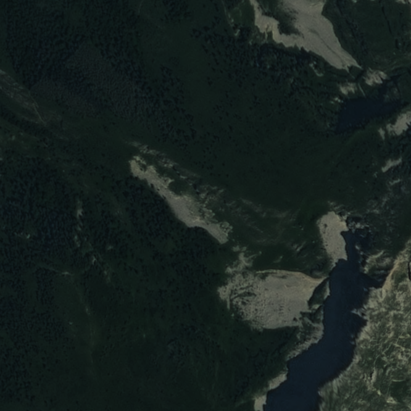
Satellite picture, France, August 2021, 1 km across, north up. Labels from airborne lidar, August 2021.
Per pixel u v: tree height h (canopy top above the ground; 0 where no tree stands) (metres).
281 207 0
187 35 0
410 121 0
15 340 7
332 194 0
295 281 0
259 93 0
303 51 0
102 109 9
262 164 0
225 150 0
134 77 14
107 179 14
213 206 0
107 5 7
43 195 11
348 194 0
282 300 0
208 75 0
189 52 0
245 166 0
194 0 0
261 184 0
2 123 0
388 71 0
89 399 0
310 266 0
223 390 0
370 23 0
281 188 0
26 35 8
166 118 12
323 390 0
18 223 9
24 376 5
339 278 0
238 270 0
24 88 0
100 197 9
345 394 0
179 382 0
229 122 0
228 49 9
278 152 0
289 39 0
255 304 0
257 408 0
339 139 0
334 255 0
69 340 8
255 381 0
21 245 8
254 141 0
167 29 0
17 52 22
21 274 6
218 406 0
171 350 0
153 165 0
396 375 0
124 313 0
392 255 0
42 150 0
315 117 0
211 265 0
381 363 0
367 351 0
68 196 12
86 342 0
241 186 0
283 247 0
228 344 0
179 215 0
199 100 0
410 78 0
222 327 0
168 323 0
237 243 0
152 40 0
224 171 0
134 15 7
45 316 7
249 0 0
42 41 10
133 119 8
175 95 0
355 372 0
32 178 8
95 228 11
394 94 0
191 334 7
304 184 0
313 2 0
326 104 0
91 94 9
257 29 0
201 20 0
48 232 16
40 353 12
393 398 0
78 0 6
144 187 14
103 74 17
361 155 0
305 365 0
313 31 0
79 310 0
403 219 0
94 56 16
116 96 15
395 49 0
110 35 11
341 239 0
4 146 0
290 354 0
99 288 0
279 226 0
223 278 0
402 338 0
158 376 0
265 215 0
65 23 9
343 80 0
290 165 0
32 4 6
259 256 0
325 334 0
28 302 8
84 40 11
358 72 0
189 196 0
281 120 0
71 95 11
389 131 0
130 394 0
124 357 0
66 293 0
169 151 0
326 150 0
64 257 6
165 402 0
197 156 0
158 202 16
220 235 0
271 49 10
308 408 0
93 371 0
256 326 0
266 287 0
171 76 10
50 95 12
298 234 0
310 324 0
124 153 0
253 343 0
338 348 0
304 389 0
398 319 0
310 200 0
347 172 0
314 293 0
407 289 0
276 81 7
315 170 0
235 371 0
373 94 0
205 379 0
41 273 9
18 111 0
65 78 9
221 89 0
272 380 0
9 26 6
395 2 0
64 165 0
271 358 0
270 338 0
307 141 0
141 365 0
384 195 0
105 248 7
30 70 6
